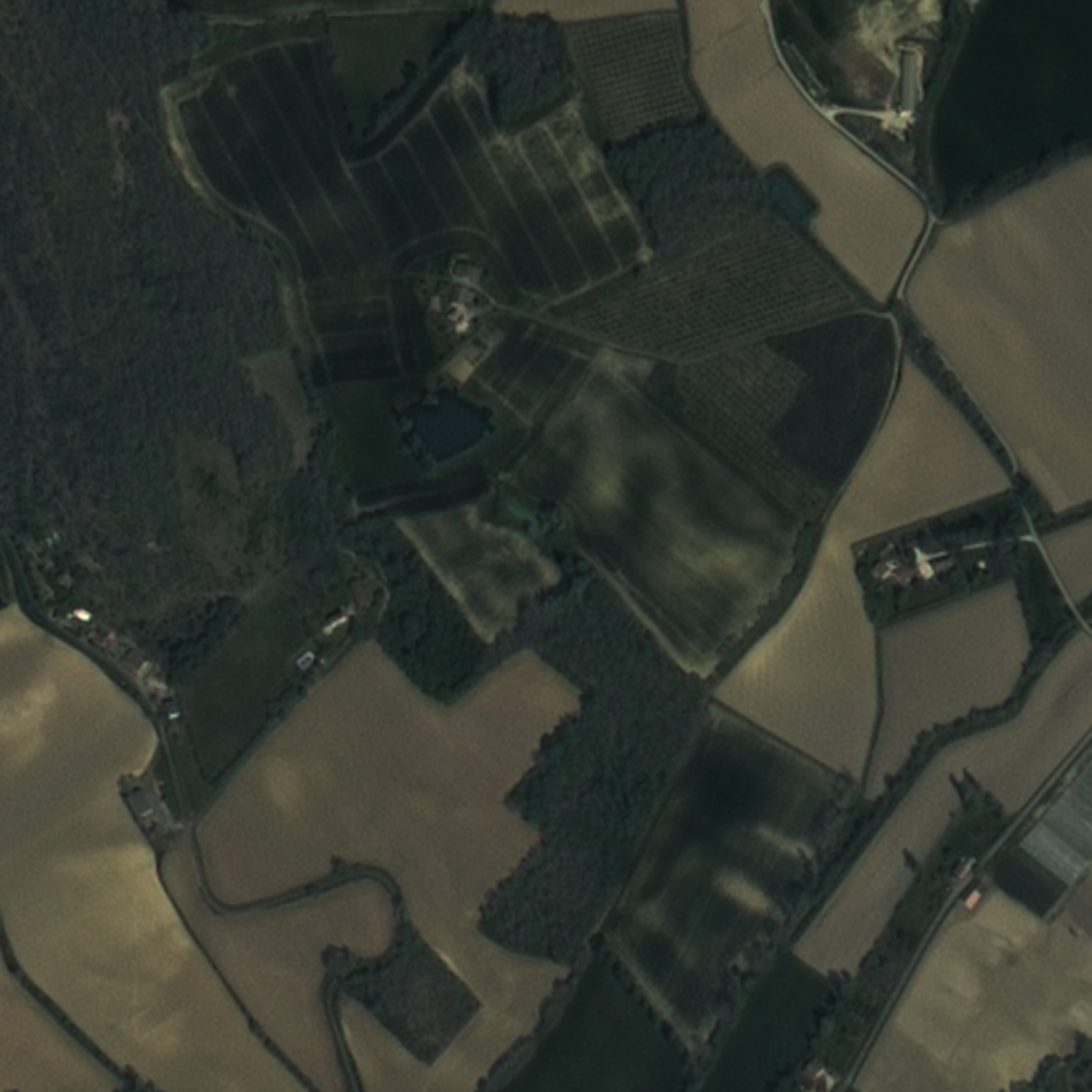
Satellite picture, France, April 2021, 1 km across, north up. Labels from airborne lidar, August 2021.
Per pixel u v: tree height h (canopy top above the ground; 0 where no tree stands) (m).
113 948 0
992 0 0
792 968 0
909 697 0
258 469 19
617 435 0
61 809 0
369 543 10
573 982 11
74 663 0
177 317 15
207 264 12
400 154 0
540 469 0
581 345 0
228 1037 0
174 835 0
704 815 0
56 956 0
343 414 0
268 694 0
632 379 0
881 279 0
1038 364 0
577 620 23
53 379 12
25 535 14
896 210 0
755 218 12
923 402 0
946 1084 0
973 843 0
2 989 0
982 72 0
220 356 22
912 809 0
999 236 0
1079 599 0
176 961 0
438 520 0
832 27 0
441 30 0
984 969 0
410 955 12
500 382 0
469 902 0
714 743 0
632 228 0
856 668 0
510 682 0
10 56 9
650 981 0
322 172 0
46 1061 0
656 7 0
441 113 0
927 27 0
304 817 0
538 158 0
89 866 0
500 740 0
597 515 0
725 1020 27
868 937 0
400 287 0
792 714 0
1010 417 0
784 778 0
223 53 0
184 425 16
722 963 0
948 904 0
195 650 11
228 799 0
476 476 0
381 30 0
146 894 0
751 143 0
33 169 10
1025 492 15
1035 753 0
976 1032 0
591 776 23
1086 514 0
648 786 22
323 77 0
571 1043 0
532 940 13
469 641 7
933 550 11
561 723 0
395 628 10
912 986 0
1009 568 15
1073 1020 0
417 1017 7
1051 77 0
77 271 9
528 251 0
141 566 12
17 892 0
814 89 0
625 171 17
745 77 0
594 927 15
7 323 12
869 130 0
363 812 0
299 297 0
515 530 0
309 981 0
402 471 0
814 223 0
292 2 0
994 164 0
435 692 13
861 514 0
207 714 0
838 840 31
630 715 22
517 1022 0
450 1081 0
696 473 0
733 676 0
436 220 0
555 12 0
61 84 8
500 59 25
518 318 0
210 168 0
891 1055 0
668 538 0
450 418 0
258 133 0
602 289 0
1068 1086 12
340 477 7
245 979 0
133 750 0
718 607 0
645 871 0
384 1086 0
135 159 9
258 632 0
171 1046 0
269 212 0
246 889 0
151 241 12
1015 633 0
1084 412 0
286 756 0
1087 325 0
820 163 0
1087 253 0
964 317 0
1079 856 0
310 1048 0
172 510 15
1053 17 0
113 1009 0
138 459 14
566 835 14
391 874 0
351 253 0
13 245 10
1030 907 0
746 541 0
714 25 0
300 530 8
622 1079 0
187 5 0
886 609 9
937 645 0
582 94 0
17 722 0
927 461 0
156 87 14
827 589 0
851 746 0
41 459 11
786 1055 0
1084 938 0
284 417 23
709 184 18
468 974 0
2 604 0
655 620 0
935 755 0
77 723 0
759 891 0
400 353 0
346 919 0
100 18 19
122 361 14
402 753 0
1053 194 0
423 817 0
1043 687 0
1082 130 0
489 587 0
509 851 0
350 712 0
